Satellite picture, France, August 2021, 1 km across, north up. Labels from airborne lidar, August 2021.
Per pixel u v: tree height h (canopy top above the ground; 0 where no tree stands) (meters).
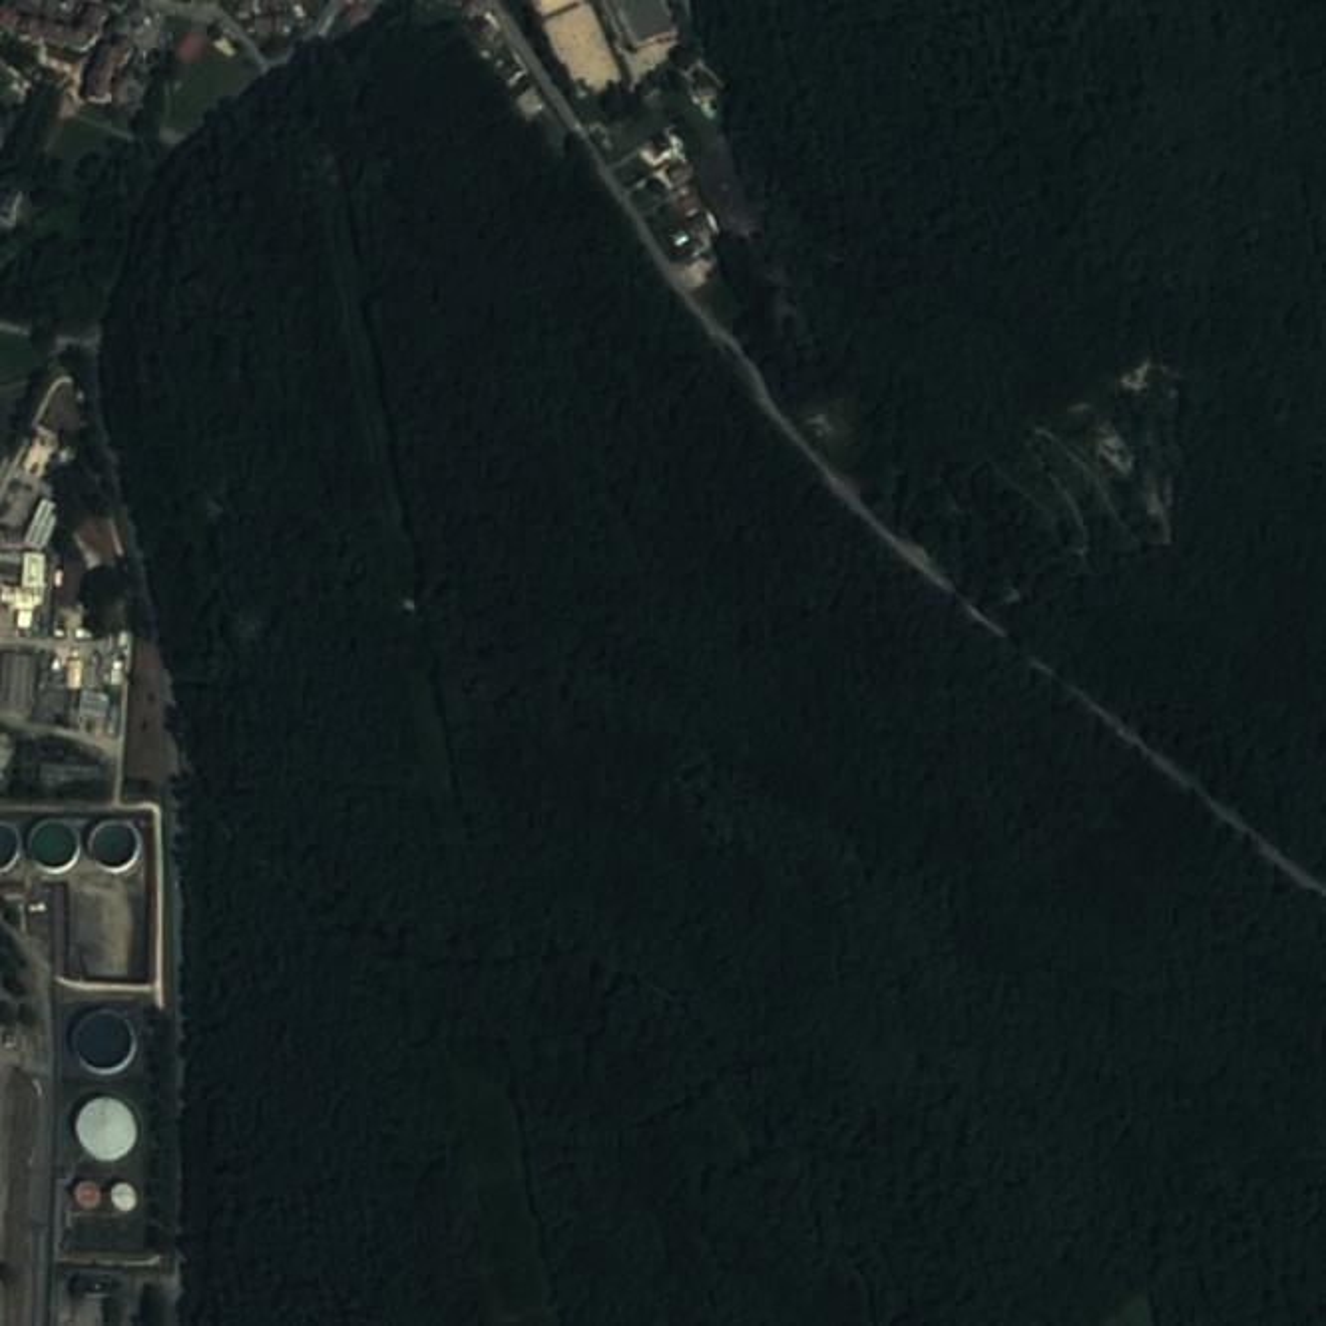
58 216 9
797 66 15
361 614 11
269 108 19
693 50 8
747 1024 23
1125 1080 17
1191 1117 18
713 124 0
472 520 19
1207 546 8
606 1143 20
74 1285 12
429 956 13
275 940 6
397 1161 11
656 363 18
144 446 17
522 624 22
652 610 10
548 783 16
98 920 0
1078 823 23
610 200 15
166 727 0
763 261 14
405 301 20
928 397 15
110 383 19
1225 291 18
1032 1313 21
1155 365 10
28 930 0
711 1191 15
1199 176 14
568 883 13
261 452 8
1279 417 18
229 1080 12
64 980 0
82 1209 0
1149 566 13
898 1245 21
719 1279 19
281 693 18
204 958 18
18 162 24
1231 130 16
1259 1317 12
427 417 16
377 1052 19
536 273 17
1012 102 21
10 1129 0
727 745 18
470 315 16
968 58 6
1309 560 11
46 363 8
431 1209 18
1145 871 16
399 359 17
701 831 21
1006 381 15
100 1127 0
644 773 18
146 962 0
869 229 17
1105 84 8
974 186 18
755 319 20
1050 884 16
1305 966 18
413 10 9
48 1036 0
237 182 22
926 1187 16
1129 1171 20
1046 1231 22
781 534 20
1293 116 22
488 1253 20
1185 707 20
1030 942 14
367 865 10
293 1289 17
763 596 18
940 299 15
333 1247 13
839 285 19
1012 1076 15
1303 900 24
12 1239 0
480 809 15
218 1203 16
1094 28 10
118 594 19
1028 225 19
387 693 14
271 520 9
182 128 0
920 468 16
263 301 21
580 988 14
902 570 12
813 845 26
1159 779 24
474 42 17
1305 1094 19
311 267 16
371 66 18
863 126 8
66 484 20
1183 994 21
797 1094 11
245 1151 16
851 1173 22
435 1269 19
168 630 22
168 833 0
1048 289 9
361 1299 21
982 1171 19
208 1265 13
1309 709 13
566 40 0
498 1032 15
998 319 13
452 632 22
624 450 19
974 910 18
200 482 8
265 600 15
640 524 19
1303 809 23
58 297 23
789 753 10
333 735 15
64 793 12
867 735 17
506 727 20
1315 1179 16
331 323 15
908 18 18
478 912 9
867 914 25
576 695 21
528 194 20
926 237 18
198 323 16
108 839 0
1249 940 17
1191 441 9
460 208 16
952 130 20
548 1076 19
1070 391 13
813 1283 17
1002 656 22
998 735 14
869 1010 19
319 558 16
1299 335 20
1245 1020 17
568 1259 11
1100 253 18
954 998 21
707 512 22
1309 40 10
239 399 15
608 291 17
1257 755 20
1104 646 20
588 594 16
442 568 17
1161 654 19
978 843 16
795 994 15
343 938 23
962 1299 16
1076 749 24
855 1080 15
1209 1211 23
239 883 17
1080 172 10
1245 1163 20
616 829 8
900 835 14
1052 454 6
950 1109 22
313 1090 12
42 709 0
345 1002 15
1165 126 16
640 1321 19
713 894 15
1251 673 17
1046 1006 20
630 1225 21
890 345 19
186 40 0
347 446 15
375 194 19
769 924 14
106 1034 0
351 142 18
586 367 20
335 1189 15
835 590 23
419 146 17
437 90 17
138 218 16
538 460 17
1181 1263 16
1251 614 12
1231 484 10
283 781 12
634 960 21
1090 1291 22
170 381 19
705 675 8
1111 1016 13
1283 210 18
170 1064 19
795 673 20
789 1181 20
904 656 18
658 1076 21
